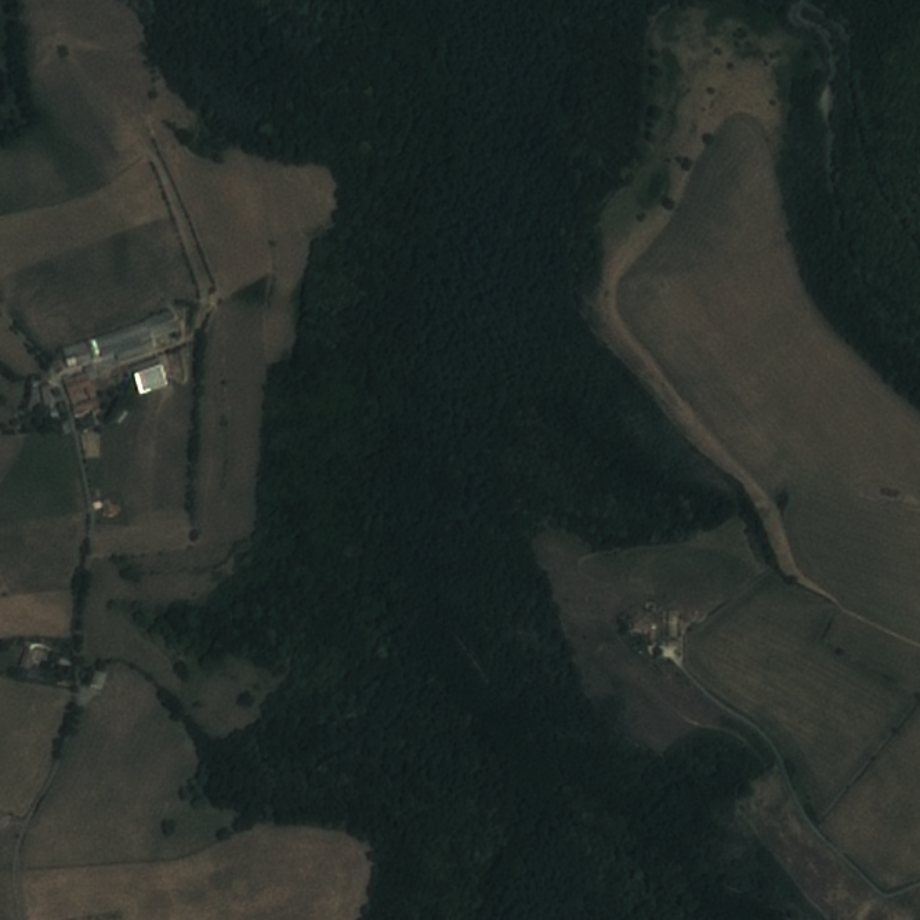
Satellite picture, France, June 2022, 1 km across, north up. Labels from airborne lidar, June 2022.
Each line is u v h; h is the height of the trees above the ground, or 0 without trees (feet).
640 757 32
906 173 67
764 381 0
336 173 49
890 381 35
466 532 54
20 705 0
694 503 54
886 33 57
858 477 0
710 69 0
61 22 0
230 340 0
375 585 45
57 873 0
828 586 0
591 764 56
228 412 0
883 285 60
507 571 37
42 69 0
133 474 0
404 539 53
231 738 36
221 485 0
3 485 0
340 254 64
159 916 0
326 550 22
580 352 27
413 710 78
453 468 46
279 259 0
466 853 61
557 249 47
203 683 0
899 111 58
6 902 0
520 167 62
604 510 49
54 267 0
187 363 0
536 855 82
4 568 0
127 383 25
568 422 53
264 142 43
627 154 56
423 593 40
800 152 20
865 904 0
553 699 42
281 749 78
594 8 25
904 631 0
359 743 62
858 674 0
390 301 58
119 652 0
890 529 0
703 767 53
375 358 55
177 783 0
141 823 0
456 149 91
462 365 26
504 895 92
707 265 0
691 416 0
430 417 31
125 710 0
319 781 73
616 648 0
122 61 0
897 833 0
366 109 56
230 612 22
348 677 62
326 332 67
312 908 0
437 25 77
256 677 0
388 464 49
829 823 0
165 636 30
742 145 0
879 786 0
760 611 0
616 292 0
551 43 40
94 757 0
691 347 0
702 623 0
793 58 0
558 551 0
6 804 0
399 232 45
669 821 43
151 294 0
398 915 67
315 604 39
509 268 34
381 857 47
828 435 0
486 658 25
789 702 0
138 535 0
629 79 57
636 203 0
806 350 0
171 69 60
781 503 25
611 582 0
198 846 0
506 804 73
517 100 48
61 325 0
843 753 0
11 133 25
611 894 56
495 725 61
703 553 0
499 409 40
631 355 0
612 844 66
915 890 0
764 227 0
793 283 0
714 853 37
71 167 0
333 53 70
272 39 84
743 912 32
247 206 0
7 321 0
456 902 57
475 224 58
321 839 0
